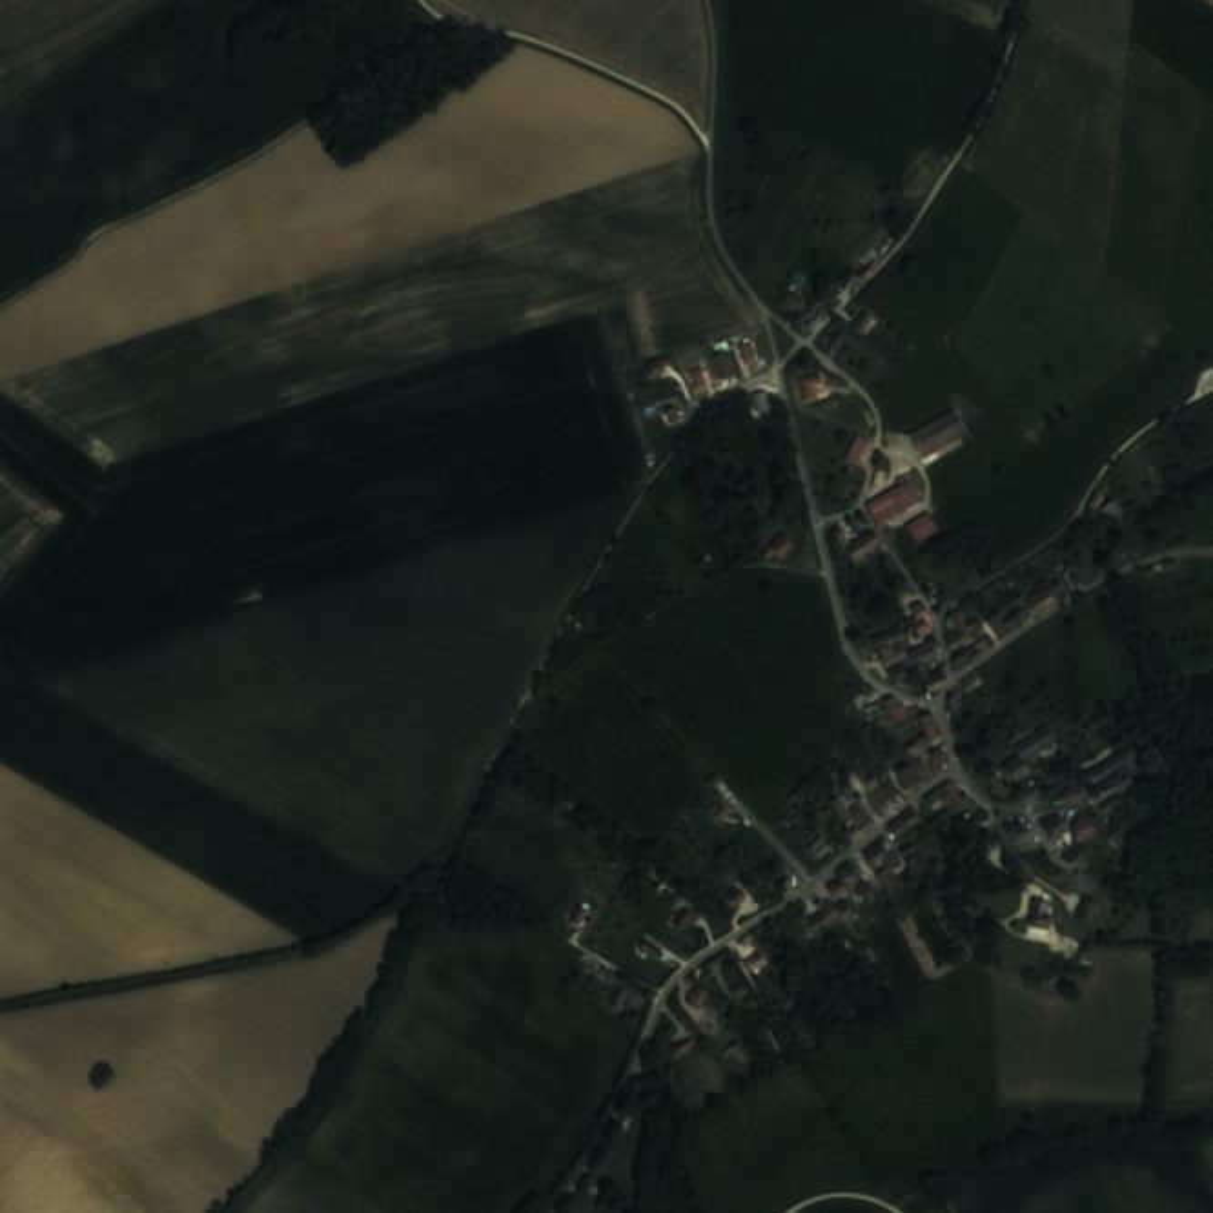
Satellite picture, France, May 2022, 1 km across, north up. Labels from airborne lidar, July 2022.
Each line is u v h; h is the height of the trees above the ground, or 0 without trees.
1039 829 0
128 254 0
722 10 0
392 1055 0
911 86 0
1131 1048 0
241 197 0
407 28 0
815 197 0
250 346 0
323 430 0
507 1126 0
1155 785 18
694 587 0
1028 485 0
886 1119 0
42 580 0
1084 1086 0
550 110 0
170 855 0
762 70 0
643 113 0
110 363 0
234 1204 6
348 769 0
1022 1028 0
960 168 0
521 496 0
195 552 0
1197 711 29
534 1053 0
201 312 0
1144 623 17
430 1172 0
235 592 0
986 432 0
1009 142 0
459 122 0
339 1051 13
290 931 0
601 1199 9
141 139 0
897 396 0
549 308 0
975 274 0
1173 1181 0
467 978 0
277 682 0
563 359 0
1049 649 0
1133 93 0
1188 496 13
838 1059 0
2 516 0
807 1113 0
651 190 0
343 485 0
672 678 0
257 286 0
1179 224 0
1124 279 0
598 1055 0
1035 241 0
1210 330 0
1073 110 0
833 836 9
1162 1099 16
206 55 0
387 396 0
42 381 0
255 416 0
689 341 0
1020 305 0
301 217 0
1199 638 7
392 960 14
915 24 0
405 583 0
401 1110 0
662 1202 18
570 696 0
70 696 0
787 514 19
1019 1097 0
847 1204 0
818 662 0
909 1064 0
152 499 0
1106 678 0
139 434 0
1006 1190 0
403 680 0
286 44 23
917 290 0
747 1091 12
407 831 0
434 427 0
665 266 0
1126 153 0
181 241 0
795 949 19
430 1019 0
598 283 0
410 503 0
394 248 0
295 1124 17
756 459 0
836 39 0
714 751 0
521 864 0
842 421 0
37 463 0
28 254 0
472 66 24
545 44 0
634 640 0
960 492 0
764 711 0
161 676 0
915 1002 0
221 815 0
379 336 0
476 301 0
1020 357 0
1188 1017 0
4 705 0
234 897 0
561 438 0
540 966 0
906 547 0
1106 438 0
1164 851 16
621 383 0
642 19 0
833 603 0
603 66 0
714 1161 0
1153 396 0
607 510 0
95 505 0
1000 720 6
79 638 0
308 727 0
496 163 0
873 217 10
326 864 0
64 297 0
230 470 0
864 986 25
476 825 11
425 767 0
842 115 0
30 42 0
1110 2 0
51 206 0
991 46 0
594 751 0
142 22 0
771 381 0
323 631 0
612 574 0
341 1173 0
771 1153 0
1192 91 0
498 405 0
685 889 11
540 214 0
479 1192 0
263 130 0
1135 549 0
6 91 0
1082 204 0
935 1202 0
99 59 0
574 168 0
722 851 12
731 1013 9
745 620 0
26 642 0
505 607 0
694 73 0
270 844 0
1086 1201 0
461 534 0
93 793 0
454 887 14
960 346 0
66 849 0
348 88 16
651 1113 16
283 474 0
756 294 0
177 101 0
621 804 0
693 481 19
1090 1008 0
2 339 0
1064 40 0
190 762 0
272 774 0
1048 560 0
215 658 0
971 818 9
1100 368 0
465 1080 0
